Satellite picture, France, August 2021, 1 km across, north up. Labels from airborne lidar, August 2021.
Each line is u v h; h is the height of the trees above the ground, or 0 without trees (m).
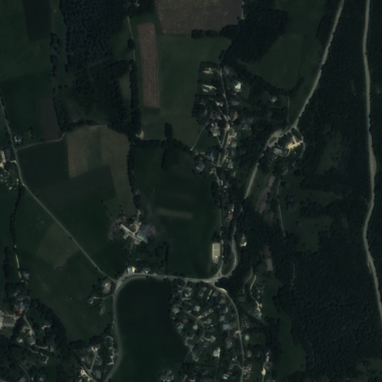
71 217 0
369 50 13
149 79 0
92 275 0
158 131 0
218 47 0
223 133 10
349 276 13
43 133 0
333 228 11
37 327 15
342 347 17
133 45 17
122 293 0
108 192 0
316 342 18
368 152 10
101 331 0
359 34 11
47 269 0
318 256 19
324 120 9
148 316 0
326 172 7
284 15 15
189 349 0
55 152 0
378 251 12
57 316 15
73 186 0
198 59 0
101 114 0
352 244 15
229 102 9
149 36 0
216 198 16
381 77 10
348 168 10
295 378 13
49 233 0
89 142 0
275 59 0
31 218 0
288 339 0
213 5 0
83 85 16
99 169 0
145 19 0
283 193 0
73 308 0
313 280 13
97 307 5
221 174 17
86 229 0
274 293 0
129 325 0
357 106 17
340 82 15
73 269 0
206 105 9
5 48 0
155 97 0
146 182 0
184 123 0
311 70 0
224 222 7
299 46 0
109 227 0
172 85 0
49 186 0
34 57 0
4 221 0
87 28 25
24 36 0
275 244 16
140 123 22
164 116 0
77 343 14
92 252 0
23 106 0
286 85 0
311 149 16
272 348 26
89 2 24
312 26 0
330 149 0
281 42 0
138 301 0
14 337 10
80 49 26
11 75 0
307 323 21
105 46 22
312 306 22
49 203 0
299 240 18
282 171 6
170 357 0
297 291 16
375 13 12
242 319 15
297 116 0
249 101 9
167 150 12
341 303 26
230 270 0
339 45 14
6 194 0
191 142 0
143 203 0
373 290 13
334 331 21
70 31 21
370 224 11
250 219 18
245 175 8
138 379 0
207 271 0
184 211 0
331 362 20
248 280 0
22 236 0
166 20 0
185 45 0
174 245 0
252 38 21
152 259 0
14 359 21
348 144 10
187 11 0
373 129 21
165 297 0
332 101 18
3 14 0
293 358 0
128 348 0
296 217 0
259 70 0
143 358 0
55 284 0
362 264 11
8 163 13
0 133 0
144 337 0
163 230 0
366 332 25
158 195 0
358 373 7
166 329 0
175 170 0
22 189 15
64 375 17
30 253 0
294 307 21
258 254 7
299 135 12
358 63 9
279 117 11
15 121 0
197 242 0
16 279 0
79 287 0
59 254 0
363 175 10
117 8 17
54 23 0
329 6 12
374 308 9
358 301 14
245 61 13
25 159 0
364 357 10
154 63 0
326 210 12
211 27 0
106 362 6
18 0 0
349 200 10
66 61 0
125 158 0
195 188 0
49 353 11
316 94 10
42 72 0
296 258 18
